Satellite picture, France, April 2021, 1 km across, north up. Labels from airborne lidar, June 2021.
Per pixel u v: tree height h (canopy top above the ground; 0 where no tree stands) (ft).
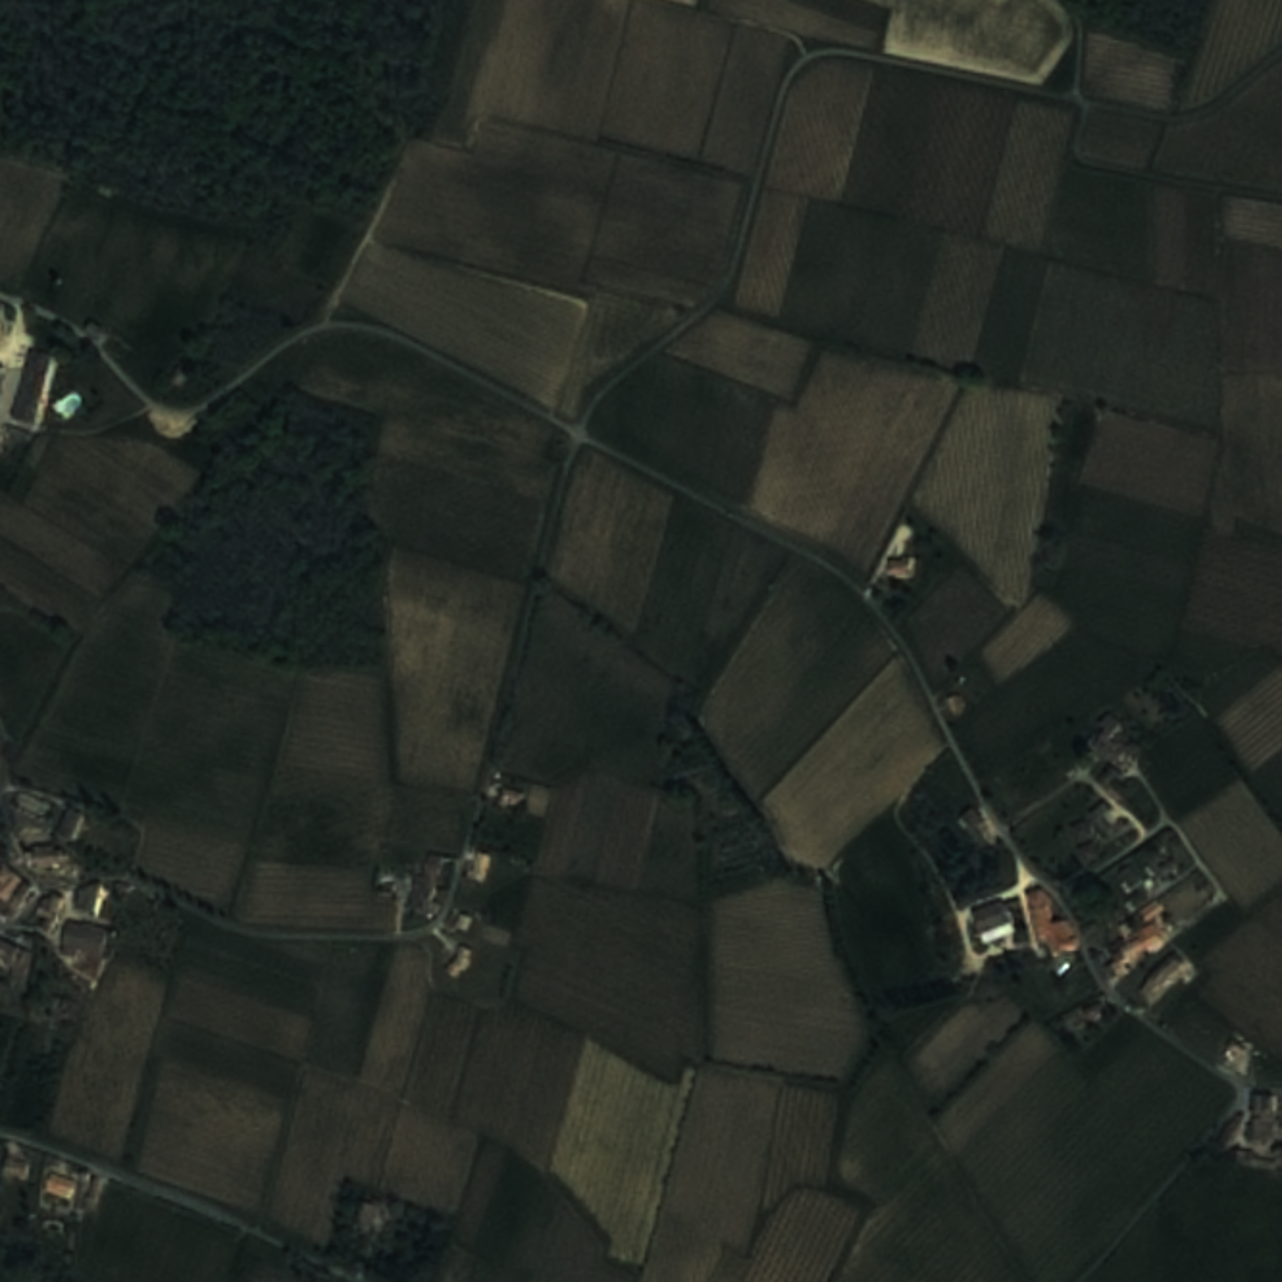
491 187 0
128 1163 18
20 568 0
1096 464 0
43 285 0
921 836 32
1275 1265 0
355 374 0
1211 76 0
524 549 0
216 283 0
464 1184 0
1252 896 0
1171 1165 0
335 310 0
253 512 70
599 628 44
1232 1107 0
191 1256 0
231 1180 0
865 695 0
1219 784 0
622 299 0
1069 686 0
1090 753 55
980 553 0
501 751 34
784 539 0
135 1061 0
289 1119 0
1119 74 0
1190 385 0
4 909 0
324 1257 24
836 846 0
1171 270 0
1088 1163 0
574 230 0
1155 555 0
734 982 0
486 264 0
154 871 0
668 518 0
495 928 0
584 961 0
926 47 0
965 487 0
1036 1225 0
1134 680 0
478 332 0
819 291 0
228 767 0
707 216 0
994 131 0
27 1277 79
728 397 0
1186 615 0
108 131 55
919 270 0
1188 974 0
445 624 0
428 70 31
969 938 0
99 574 0
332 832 0
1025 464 0
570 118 0
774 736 0
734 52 0
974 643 0
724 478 0
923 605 0
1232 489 0
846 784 0
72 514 0
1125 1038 0
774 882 44
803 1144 0
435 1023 0
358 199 60
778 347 0
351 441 48
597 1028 0
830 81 0
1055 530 30
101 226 0
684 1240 0
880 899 0
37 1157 0
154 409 0
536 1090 0
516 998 0
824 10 0
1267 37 0
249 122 54
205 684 0
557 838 0
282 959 0
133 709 0
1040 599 0
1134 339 0
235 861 0
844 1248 0
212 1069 0
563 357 0
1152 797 0
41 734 0
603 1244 0
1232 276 0
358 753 0
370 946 0
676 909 0
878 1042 24
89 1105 0
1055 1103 0
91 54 77
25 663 0
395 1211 45
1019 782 0
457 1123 0
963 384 43
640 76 0
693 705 39
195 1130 0
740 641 0
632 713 0
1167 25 59
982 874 44
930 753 0
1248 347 0
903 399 0
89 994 0
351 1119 0
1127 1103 0
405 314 0
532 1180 0
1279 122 0
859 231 0
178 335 0
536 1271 0
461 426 0
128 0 67
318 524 67
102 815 40
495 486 0
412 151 0
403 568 0
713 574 0
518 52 0
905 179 0
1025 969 35
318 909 0
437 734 0
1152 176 0
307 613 50
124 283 0
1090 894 57
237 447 57
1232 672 0
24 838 0
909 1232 0
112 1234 0
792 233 0
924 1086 0
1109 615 0
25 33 63
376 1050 0
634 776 0
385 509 0
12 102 26
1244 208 0
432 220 0
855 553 0
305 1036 0
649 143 0
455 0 37
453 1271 0
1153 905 0
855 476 0
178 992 0
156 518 0
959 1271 0
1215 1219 0
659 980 0
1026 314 0
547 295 0
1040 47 0
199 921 0
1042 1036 0
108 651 0
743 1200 0
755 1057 0
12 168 0
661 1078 0
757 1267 0
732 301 0
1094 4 39
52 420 0
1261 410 0
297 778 0
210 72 58
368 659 47
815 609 0
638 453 0
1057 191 0
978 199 0
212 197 65
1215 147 0
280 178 69
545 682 0
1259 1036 0
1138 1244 0
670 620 0
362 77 88
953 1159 0
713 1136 0
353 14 82
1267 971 0
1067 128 0
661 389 0
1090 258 0
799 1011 0
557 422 0
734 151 0
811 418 0
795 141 0
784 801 0
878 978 0
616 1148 0
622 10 0
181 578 45
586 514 0
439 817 0
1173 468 0
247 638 55
